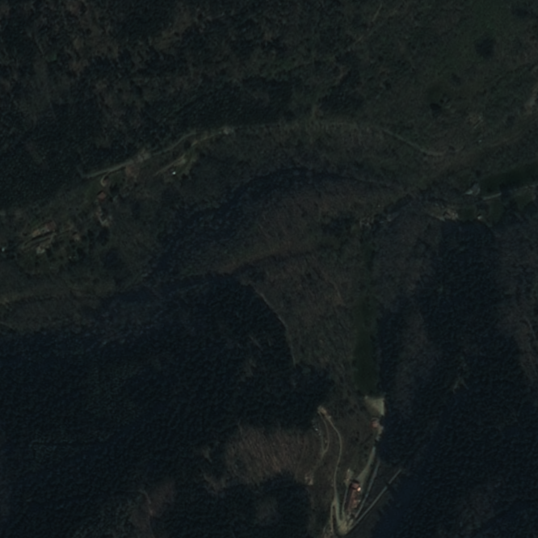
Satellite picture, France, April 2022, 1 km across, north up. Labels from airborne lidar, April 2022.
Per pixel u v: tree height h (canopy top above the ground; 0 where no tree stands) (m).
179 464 28
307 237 22
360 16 19
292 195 21
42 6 30
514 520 30
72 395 26
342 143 26
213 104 27
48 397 34
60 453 22
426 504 35
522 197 0
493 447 31
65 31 24
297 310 24
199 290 16
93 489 34
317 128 7
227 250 18
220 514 32
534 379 26
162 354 15
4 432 26
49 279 26
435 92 0
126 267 26
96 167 26
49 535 22
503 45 20
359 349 0
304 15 18
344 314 24
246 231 20
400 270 20
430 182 0
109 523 21
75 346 23
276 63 11
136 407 20
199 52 27
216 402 26
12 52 19
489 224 11
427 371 23
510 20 20
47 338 19
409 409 24
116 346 22
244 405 25
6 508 17
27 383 30
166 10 25
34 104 25
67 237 0
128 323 27
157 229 30
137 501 21
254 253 17
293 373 25
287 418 30
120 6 25
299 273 28
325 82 7
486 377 29
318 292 9
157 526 28
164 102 24
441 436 30
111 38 24
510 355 34
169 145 8
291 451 26
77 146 26
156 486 20
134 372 19
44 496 29
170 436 30
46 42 13
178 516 28
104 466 27
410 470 22
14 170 23
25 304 19
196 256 22
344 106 25
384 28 16
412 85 13
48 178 23
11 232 24
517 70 8
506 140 0
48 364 31
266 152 27
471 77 14
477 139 14
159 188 23
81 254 19
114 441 21
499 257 30
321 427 0
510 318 19
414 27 14
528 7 22
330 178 26
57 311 23
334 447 0
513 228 31
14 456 17
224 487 24
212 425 22
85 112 25
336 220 23
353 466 0
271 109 25
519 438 30
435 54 15
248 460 25
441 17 7
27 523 26
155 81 11
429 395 30
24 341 18
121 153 25
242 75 18
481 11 17
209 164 22
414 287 18
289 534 31
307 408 32
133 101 8
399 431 24
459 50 19
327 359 27
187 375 36
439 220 8
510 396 35
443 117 16
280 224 27
